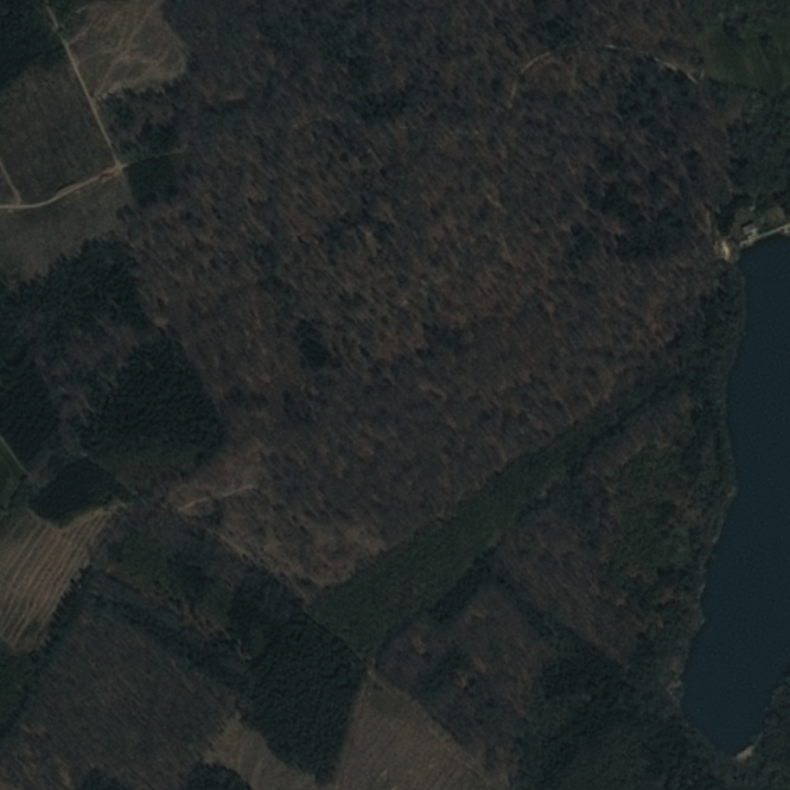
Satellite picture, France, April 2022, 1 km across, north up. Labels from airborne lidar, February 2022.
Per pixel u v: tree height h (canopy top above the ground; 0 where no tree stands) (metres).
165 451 9
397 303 28
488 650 26
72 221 0
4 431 17
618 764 20
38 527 0
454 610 19
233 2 25
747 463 0
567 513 25
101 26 0
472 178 31
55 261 0
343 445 26
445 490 26
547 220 31
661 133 30
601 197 26
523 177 29
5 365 12
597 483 19
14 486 0
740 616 0
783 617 0
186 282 26
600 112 30
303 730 22
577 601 26
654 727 22
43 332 24
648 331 30
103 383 25
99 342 24
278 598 20
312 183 28
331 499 28
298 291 13
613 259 29
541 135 30
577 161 31
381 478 24
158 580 15
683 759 22
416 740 0
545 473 8
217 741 23
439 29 27
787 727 24
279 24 30
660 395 9
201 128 27
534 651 21
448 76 25
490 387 17
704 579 11
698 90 24
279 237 30
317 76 28
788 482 0
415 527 24
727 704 0
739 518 0
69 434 27
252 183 30
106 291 26
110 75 0
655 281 28
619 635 28
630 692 27
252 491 0
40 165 0
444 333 23
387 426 27
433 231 28
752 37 18
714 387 15
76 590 0
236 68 30
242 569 26
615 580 17
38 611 0
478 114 23
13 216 0
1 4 32
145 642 25
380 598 15
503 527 12
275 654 25
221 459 23
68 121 0
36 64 9
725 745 0
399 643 25
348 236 24
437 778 0
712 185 28
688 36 30
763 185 23
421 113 27
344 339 6
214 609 16
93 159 0
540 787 21
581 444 13
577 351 29
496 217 31
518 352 20
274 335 21
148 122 25
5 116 0
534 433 29
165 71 0
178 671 26
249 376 19
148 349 23
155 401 29
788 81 0
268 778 0
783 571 0
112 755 23
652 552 9
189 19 30
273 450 23
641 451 22
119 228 0
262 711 28
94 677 27
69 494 13
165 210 32
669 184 30
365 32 29
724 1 19
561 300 29
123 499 10
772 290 0
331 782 22
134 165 18
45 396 19
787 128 23
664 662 15
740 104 22
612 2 27
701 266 27
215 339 20
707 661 0
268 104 29
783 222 14
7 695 7
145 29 0
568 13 17
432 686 23
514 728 26
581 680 23
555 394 28
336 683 24
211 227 26
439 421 24
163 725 25
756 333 0
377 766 0
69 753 29
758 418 0
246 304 23
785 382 0
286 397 14
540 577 25
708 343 25
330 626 7
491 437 27
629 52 30
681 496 14
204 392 26
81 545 0
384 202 30
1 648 30
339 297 28
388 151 28
